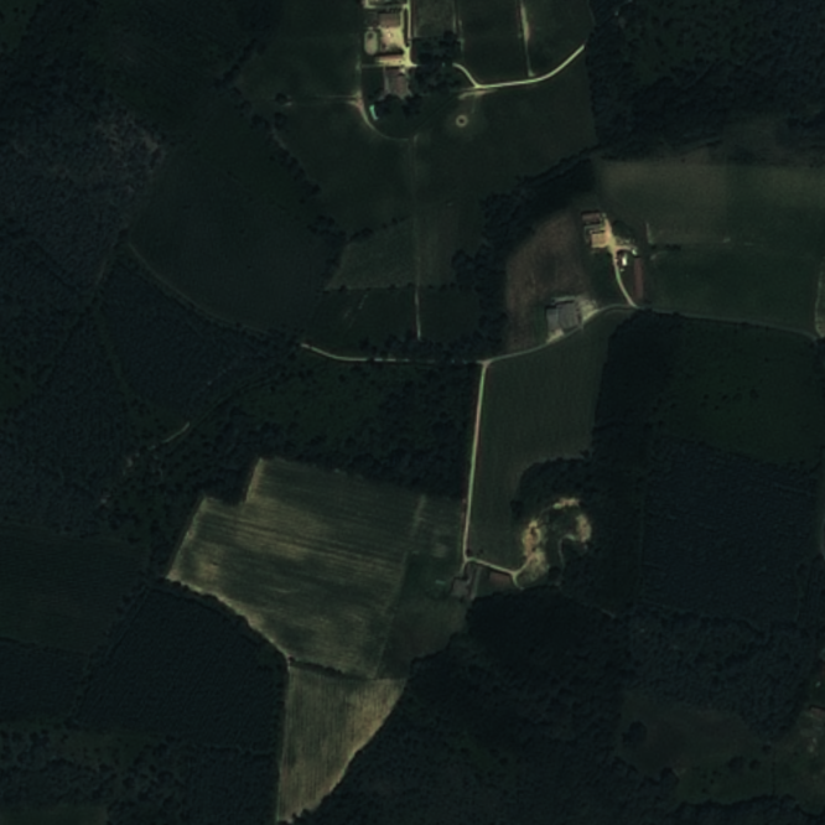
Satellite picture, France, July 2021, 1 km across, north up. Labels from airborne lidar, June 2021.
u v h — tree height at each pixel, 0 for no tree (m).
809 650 26
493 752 14
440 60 10
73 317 13
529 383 0
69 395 15
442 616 0
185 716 13
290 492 0
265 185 0
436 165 0
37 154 24
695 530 7
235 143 0
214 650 13
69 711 9
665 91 15
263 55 8
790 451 0
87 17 8
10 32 0
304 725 0
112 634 12
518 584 0
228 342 13
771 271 0
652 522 8
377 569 0
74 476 17
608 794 19
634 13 8
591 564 7
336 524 0
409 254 0
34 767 20
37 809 14
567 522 0
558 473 18
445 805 8
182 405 14
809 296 0
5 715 8
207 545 0
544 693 14
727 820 26
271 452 15
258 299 0
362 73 0
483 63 0
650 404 7
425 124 0
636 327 12
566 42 0
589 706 17
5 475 22
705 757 0
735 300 0
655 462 8
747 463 8
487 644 11
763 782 0
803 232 0
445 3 0
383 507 0
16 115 11
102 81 6
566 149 0
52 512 21
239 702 13
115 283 11
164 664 10
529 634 20
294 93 0
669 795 18
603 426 9
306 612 0
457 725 8
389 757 9
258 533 0
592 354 0
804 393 0
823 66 12
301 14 0
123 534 26
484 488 0
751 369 0
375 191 0
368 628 0
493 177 0
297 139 0
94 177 25
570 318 0
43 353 11
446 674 14
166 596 11
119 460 16
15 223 16
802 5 23
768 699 23
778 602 10
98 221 19
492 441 0
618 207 0
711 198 0
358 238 11
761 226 0
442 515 0
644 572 6
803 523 8
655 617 22
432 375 17
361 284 0
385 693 0
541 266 0
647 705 0
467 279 17
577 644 11
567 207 8
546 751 19
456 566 0
